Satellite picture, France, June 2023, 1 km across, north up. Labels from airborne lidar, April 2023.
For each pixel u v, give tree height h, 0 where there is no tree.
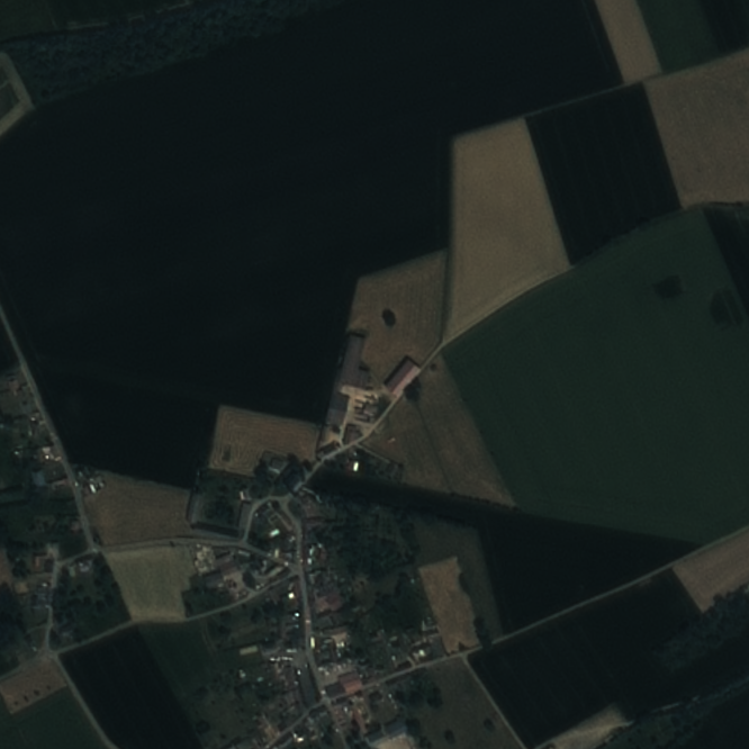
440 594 0
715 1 0
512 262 0
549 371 0
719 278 0
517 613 0
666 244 0
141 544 0
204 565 0
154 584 0
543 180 0
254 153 0
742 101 0
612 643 0
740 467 0
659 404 0
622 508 0
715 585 0
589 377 0
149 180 0
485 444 0
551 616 0
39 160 0
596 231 0
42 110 0
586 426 0
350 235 0
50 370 0
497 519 0
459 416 0
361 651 7
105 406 0
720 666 0
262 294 0
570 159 0
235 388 0
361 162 0
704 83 0
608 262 0
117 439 0
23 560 12
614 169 0
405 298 0
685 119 0
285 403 0
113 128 0
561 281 0
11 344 0
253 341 0
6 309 0
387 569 15
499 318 0
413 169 0
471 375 0
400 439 0
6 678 0
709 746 0
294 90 0
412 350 0
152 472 0
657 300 0
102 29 9
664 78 0
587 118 0
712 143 0
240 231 0
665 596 0
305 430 0
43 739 0
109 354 0
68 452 0
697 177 0
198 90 0
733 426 0
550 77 0
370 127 0
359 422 0
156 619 0
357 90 0
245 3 22
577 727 0
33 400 0
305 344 0
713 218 0
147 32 10
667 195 0
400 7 0
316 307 0
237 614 0
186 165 0
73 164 0
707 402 0
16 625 15
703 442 0
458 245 0
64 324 0
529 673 0
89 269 0
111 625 0
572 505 0
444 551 0
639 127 0
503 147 0
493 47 0
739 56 0
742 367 0
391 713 0
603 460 0
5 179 0
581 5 0
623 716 0
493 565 0
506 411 0
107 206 0
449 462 0
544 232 0
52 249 0
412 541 7
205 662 0
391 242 0
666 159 0
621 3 0
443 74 0
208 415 0
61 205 0
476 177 0
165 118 0
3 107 0
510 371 0
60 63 19
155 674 0
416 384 13
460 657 0
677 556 0
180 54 8
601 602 0
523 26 0
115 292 0
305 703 6
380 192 0
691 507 0
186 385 0
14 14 0
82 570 0
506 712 0
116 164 0
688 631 15
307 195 0
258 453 0
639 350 0
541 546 0
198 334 0
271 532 0
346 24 0
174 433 0
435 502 0
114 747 0
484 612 0
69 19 0
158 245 0
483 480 0
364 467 9
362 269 0
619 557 0
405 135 0
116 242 0
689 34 0
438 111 0
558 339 0
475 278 0
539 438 0
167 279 0
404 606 0
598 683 0
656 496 0
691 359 0
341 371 0
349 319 0
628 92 0
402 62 0
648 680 0
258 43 0
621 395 0
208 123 0
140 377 0
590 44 0
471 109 0
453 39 0
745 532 0
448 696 0
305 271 0
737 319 0
